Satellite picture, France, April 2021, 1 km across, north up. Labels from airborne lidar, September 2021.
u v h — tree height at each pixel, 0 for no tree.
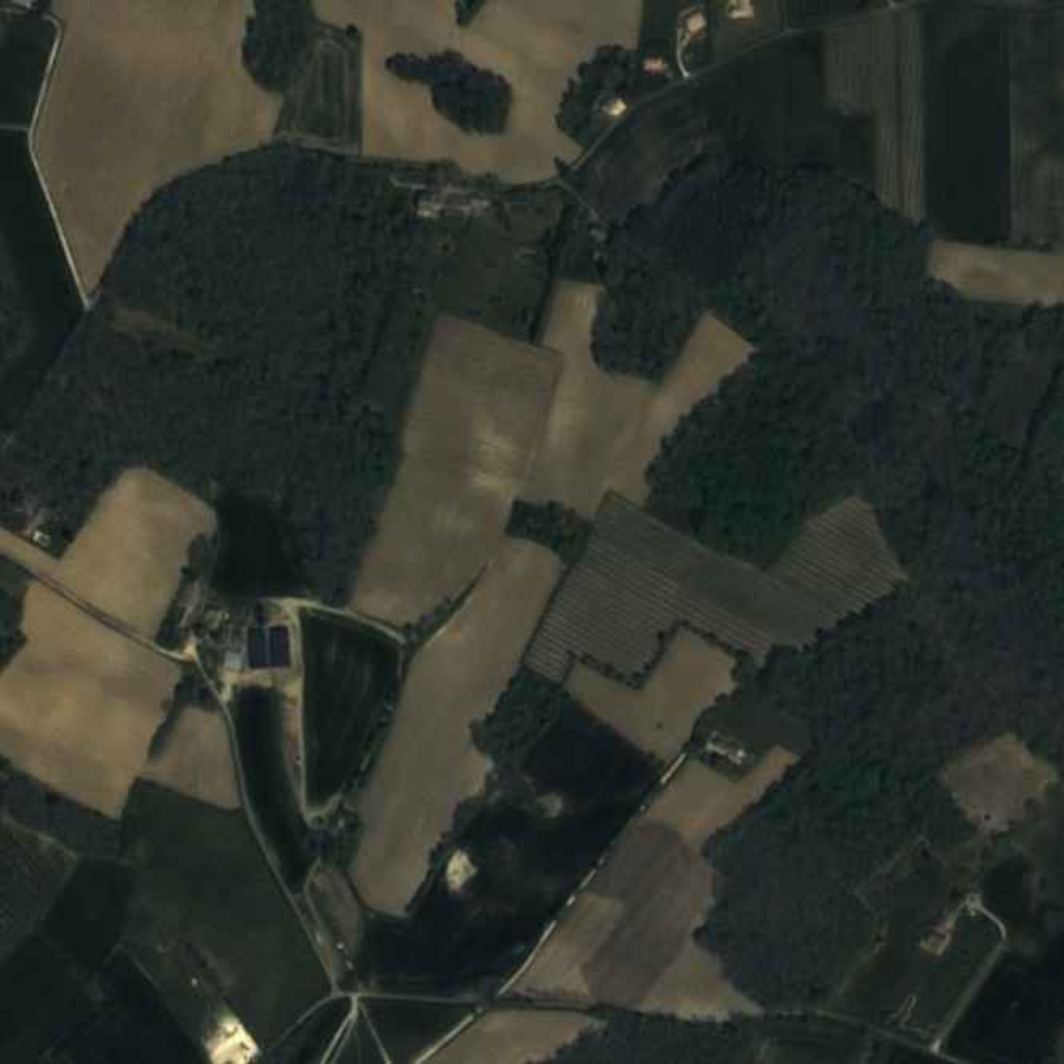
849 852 20
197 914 0
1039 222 0
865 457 17
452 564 0
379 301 24
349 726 0
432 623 13
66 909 0
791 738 0
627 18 0
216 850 0
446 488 0
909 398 19
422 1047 0
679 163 0
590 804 0
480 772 0
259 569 0
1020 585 20
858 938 17
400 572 0
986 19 0
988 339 19
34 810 21
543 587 0
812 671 18
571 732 0
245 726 0
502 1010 10
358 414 21
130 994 0
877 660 22
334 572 18
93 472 20
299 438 25
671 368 21
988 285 0
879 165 0
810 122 0
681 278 19
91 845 20
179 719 13
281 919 0
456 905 0
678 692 0
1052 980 0
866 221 23
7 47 0
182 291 19
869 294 19
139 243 20
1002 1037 0
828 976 19
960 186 0
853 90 0
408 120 0
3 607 13
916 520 20
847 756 21
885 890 16
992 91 0
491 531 0
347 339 23
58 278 0
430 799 0
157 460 23
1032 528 24
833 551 0
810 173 18
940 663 15
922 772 17
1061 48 0
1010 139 0
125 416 22
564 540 13
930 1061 0
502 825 0
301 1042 16
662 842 0
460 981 0
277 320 16
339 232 20
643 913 0
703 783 0
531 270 0
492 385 0
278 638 0
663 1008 0
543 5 0
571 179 23
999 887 0
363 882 0
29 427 16
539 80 0
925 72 0
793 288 18
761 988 20
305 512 14
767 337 20
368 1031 0
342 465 25
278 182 20
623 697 0
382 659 0
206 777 0
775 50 0
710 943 18
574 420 0
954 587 14
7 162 0
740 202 24
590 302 0
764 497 35
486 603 0
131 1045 0
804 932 18
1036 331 19
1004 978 0
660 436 0
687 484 26
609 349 20
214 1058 0
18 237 0
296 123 0
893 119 0
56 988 0
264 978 0
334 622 0
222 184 17
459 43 0
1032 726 17
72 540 14
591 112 9
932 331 28
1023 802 0
